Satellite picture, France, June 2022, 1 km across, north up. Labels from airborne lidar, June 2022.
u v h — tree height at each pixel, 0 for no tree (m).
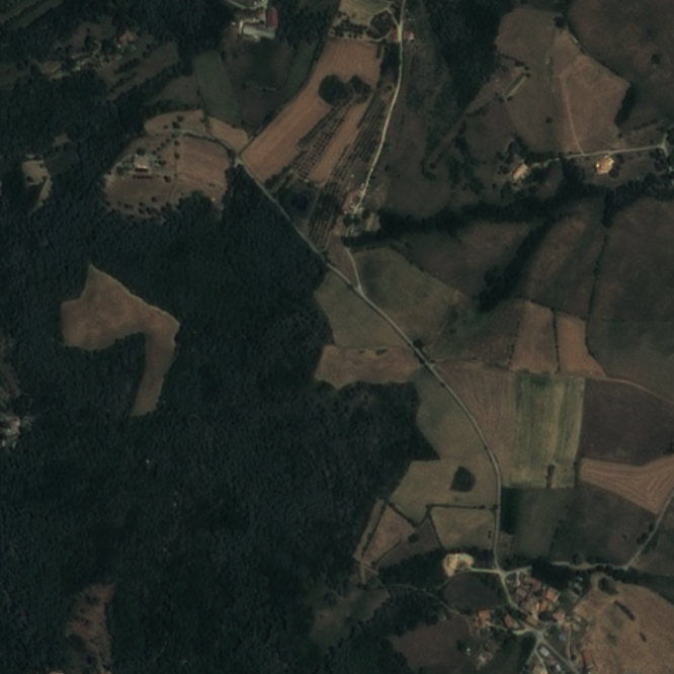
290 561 16
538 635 0
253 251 15
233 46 0
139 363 9
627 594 0
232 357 14
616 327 0
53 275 12
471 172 8
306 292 18
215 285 10
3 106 14
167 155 0
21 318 10
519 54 0
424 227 13
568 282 0
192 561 11
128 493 12
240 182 9
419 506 0
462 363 0
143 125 11
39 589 14
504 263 0
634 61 0
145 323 0
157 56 0
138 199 0
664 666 0
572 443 0
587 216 0
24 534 17
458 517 0
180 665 12
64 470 16
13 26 10
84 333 0
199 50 13
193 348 10
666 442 0
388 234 9
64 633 16
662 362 0
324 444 14
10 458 17
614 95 0
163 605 13
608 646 0
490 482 0
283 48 0
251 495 17
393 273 0
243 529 10
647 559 0
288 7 8
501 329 0
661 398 0
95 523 13
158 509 12
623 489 0
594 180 0
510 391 0
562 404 0
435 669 0
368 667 9
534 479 0
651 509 0
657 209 0
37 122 10
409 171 0
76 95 13
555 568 13
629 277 0
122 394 15
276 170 0
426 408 0
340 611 0
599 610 0
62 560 10
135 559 15
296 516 15
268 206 16
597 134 0
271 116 9
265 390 15
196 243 16
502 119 0
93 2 15
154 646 17
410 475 0
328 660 14
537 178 6
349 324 0
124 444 8
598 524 0
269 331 16
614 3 0
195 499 12
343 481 13
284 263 19
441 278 0
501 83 0
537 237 12
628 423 0
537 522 0
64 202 12
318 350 6
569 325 0
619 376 0
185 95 0
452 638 0
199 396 11
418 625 9
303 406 9
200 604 14
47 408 7
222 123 0
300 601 16
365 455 12
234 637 21
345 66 0
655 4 0
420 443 10
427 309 0
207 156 0
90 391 11
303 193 0
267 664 22
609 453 0
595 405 0
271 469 17
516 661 0
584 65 0
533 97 0
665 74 0
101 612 0
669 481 0
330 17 8
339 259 0
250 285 18
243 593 18
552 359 0
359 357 0
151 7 18
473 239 0
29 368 10
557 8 0
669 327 0
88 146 11
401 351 0
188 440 17
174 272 15
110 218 11
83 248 15
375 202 0
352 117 0
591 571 10
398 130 0
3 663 16
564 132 0
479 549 10
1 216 11
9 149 7
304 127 0
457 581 0
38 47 14
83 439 15
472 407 0
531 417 0
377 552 0
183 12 20
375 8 0
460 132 7
